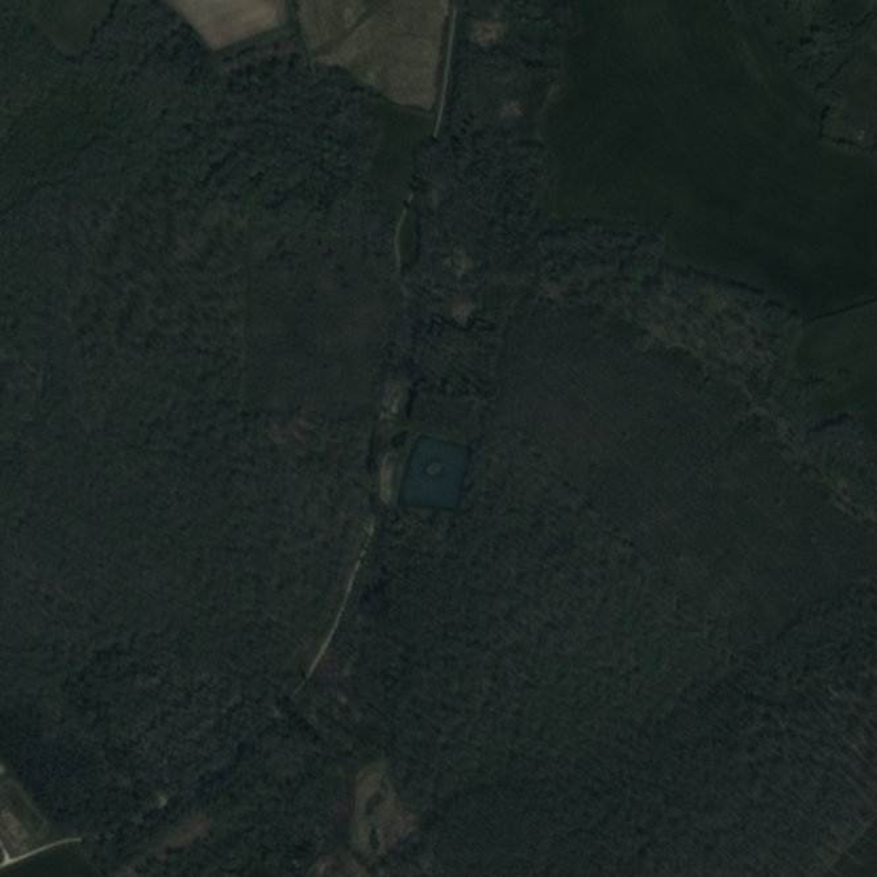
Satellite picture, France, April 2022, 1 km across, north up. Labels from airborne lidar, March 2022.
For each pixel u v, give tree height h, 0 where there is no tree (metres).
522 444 21
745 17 0
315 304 11
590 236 16
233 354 25
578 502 25
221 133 24
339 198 22
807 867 25
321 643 0
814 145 0
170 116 20
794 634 22
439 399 22
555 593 24
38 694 21
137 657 19
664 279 23
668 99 0
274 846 30
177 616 20
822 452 23
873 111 0
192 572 24
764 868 21
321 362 9
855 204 0
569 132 0
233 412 24
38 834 0
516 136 11
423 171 20
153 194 23
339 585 19
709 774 27
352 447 23
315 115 23
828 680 25
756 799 25
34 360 27
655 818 22
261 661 25
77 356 26
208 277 25
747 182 0
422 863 25
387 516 18
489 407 23
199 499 24
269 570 25
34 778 21
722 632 23
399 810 0
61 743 20
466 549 23
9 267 23
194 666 21
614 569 24
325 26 0
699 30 0
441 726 22
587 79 0
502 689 22
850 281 0
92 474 25
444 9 0
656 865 26
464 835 28
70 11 0
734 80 0
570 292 20
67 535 22
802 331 14
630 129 0
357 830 0
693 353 22
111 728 22
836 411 0
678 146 0
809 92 0
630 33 0
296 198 23
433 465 0
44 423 24
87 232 28
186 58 20
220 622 23
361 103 11
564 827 26
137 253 22
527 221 24
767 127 0
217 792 26
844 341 0
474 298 6
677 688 24
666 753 27
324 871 0
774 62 0
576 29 18
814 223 0
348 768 25
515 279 18
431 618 23
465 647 26
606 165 0
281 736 23
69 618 26
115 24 16
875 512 23
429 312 22
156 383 23
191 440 22
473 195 26
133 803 24
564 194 0
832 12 0
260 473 26
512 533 22
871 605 27
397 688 31
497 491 20
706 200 0
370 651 21
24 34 21
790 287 0
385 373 8
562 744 23
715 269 0
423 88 0
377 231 26
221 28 0
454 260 23
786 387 21
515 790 19
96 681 23
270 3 0
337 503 25
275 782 26
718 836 22
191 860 7
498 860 26
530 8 20
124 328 0
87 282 28
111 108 18
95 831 12
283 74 25
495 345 26
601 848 21
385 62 0
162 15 24
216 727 16
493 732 21
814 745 24
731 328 23
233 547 25
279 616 23
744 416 19
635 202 0
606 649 27
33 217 25
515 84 0
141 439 23
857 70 0
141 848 21
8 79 22
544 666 24
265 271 12
